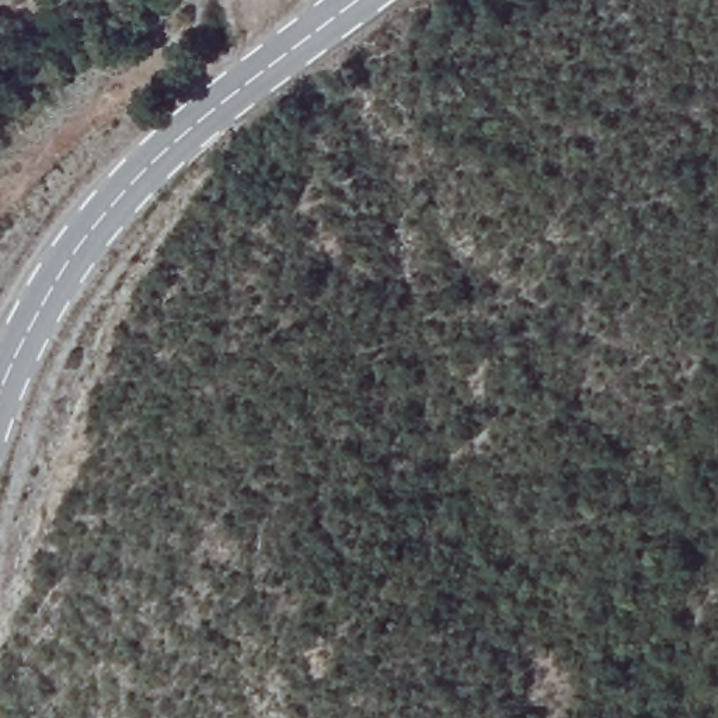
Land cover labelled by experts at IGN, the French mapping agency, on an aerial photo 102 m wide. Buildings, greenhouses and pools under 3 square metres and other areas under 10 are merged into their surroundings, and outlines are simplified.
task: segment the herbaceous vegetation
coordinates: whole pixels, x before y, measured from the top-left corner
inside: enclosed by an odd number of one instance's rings
[[[177,188],[182,188],[196,174],[208,177],[210,160],[205,154],[185,165],[171,182],[165,182],[137,219],[149,224],[151,216],[171,199]]]
[[[84,348],[93,345],[93,337],[107,314],[107,306],[101,303],[93,311],[90,323],[81,328],[76,348],[65,362],[67,367],[79,367]]]

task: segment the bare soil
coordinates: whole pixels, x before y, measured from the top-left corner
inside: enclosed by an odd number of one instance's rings
[[[36,241],[42,238],[42,233],[48,233],[56,216],[76,199],[76,194],[84,185],[90,185],[98,168],[109,168],[109,163],[123,149],[129,149],[129,143],[143,132],[129,115],[129,101],[135,90],[143,90],[154,73],[165,67],[165,59],[157,48],[140,65],[90,67],[87,73],[79,73],[70,87],[50,93],[53,104],[45,107],[31,126],[11,132],[11,146],[0,149],[0,297],[14,283],[22,264],[31,258]]]
[[[367,22],[359,34],[353,34],[334,50],[328,50],[309,73],[337,70],[353,48],[367,50],[370,45],[376,45],[370,31],[381,25],[384,14]]]
[[[199,59],[199,76],[205,76],[208,65],[224,56],[230,48],[247,48],[252,42],[266,45],[266,39],[278,34],[275,25],[286,20],[303,0],[219,0],[227,25],[222,31],[210,31],[205,28],[208,0],[180,0],[180,6],[171,8],[171,14],[163,20],[165,39],[180,42]]]
[[[129,311],[129,297],[135,286],[154,269],[163,241],[171,236],[191,196],[199,194],[208,177],[196,174],[182,188],[177,188],[171,199],[151,216],[149,224],[137,219],[123,230],[123,236],[98,264],[84,294],[73,303],[56,339],[50,342],[31,381],[22,415],[14,426],[0,471],[0,648],[11,637],[11,620],[28,597],[34,581],[31,558],[39,550],[39,536],[48,536],[53,530],[62,496],[73,488],[81,463],[90,457],[84,432],[87,401],[90,390],[98,381],[104,381],[104,367],[112,351],[115,328]],[[84,348],[79,367],[67,367],[65,362],[76,348],[81,328],[90,323],[93,311],[101,303],[107,306],[107,314],[93,337],[93,345]]]
[[[547,718],[564,718],[572,701],[569,673],[558,670],[555,659],[544,653],[536,656],[536,682],[530,690],[530,701],[547,707]]]

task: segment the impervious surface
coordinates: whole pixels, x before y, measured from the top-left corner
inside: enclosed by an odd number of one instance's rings
[[[76,199],[56,216],[48,233],[42,233],[42,238],[36,241],[31,258],[22,264],[14,283],[0,297],[0,471],[14,426],[22,415],[31,381],[50,342],[56,339],[73,303],[84,294],[98,264],[123,236],[123,230],[137,219],[165,182],[171,182],[185,165],[205,154],[230,132],[264,115],[278,95],[286,93],[292,81],[309,73],[328,50],[334,50],[353,34],[359,34],[367,22],[384,14],[398,0],[303,0],[286,20],[275,25],[278,34],[266,39],[266,45],[252,42],[247,48],[230,48],[224,56],[208,65],[205,76],[199,76],[182,84],[191,101],[174,107],[171,126],[143,132],[129,143],[129,149],[123,149],[109,163],[109,168],[98,168],[90,185],[84,185],[76,194]]]

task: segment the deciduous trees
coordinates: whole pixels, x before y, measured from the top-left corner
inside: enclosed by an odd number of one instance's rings
[[[541,17],[558,0],[505,0],[510,3],[510,14],[536,8],[536,14]]]
[[[199,76],[199,59],[180,42],[165,39],[165,45],[157,48],[165,59],[165,67],[154,73],[143,90],[135,90],[129,101],[129,115],[143,132],[171,126],[174,107],[191,101],[182,84]]]

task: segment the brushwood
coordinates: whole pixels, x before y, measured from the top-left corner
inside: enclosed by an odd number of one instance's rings
[[[11,132],[31,126],[45,107],[53,104],[50,93],[70,87],[79,73],[87,73],[90,67],[140,65],[157,48],[165,45],[165,39],[163,20],[171,14],[171,8],[180,6],[180,0],[0,0],[0,149],[11,146]]]
[[[135,286],[129,297],[129,311],[115,328],[112,351],[104,367],[104,381],[98,381],[90,390],[87,401],[84,432],[90,457],[81,463],[73,488],[62,496],[53,530],[48,536],[39,536],[39,550],[31,558],[34,581],[28,597],[11,620],[11,637],[0,648],[0,718],[547,718],[547,707],[530,701],[530,690],[536,682],[536,656],[544,653],[555,659],[558,670],[569,673],[572,701],[564,718],[718,718],[718,0],[558,0],[541,17],[536,14],[536,8],[510,14],[510,3],[505,0],[398,0],[384,14],[381,25],[370,31],[376,45],[370,45],[367,50],[353,48],[337,70],[309,73],[292,81],[286,93],[278,95],[264,115],[230,132],[205,154],[210,160],[208,177],[199,194],[191,196],[171,236],[163,241],[154,269]]]
[[[210,31],[222,31],[227,25],[219,0],[208,0],[205,28]]]

